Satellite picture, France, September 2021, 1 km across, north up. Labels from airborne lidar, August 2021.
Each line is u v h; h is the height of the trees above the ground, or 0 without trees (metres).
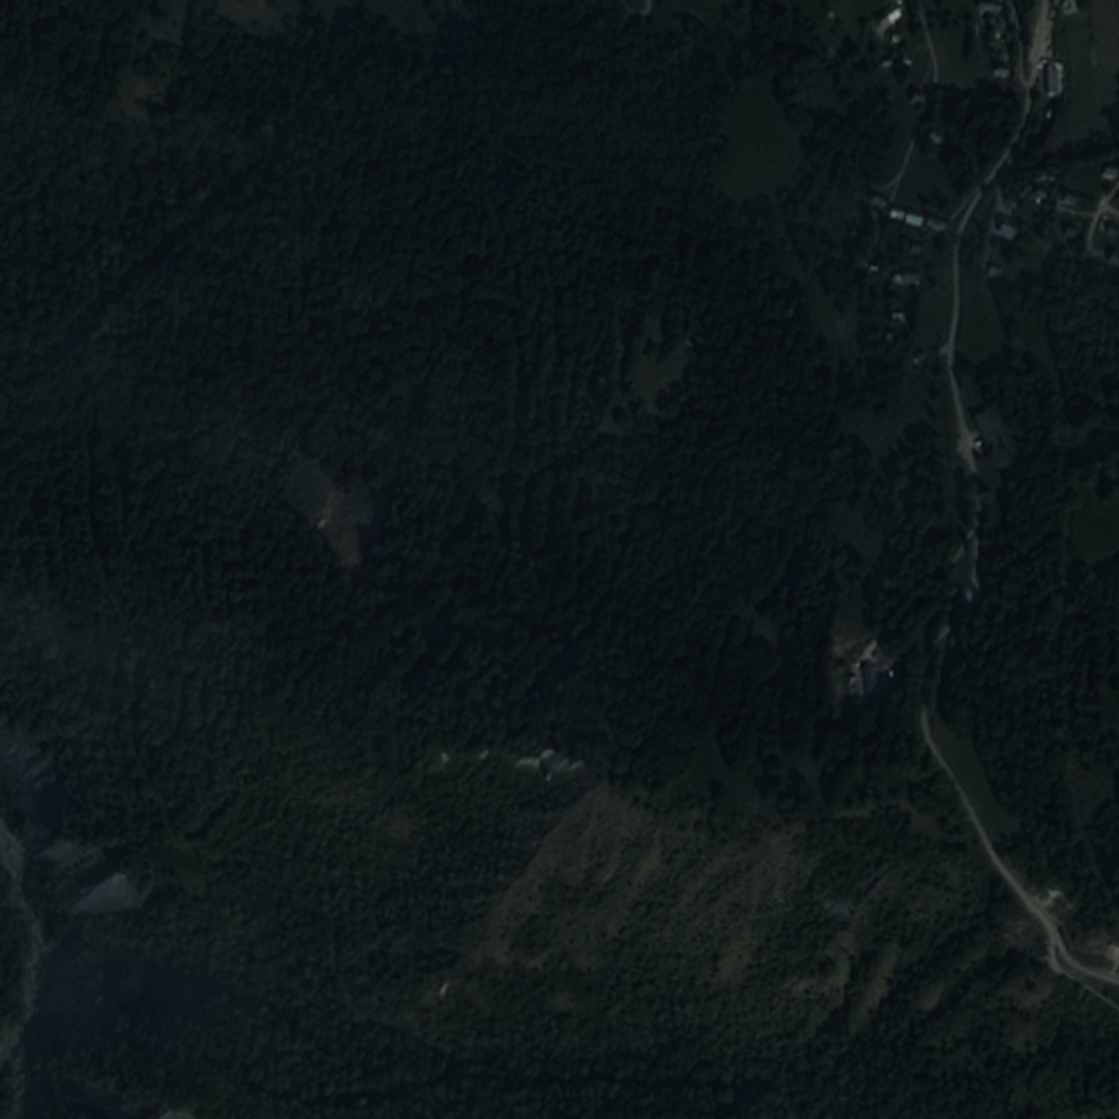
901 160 0
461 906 7
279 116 26
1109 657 19
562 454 15
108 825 9
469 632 0
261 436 21
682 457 22
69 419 25
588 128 22
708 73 21
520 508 15
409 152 23
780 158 0
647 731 20
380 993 11
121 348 23
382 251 20
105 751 9
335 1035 19
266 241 21
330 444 26
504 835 6
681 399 14
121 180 23
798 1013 7
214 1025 24
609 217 24
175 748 20
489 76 24
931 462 18
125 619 8
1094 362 16
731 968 0
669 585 28
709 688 23
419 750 7
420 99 21
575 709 6
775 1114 20
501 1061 19
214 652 20
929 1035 10
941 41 0
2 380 24
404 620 22
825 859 6
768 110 0
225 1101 16
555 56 27
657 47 7
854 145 19
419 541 28
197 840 8
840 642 0
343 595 22
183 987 17
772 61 20
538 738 14
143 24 14
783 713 29
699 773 0
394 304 19
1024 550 14
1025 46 9
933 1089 11
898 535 16
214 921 12
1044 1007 7
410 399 7
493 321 24
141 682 7
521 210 18
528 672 23
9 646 24
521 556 18
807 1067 14
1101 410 17
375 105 26
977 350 0
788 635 14
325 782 15
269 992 25
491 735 16
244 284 23
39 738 9
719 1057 13
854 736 19
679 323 15
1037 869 15
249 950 18
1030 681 22
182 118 20
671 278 18
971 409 0
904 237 6
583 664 27
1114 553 0
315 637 24
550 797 8
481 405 15
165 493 23
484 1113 20
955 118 21
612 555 17
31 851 0
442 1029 10
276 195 20
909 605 16
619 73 22
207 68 21
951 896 10
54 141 25
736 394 24
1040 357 0
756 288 22
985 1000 8
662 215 21
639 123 23
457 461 22
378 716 19
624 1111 21
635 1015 11
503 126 28
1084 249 10
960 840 17
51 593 8
